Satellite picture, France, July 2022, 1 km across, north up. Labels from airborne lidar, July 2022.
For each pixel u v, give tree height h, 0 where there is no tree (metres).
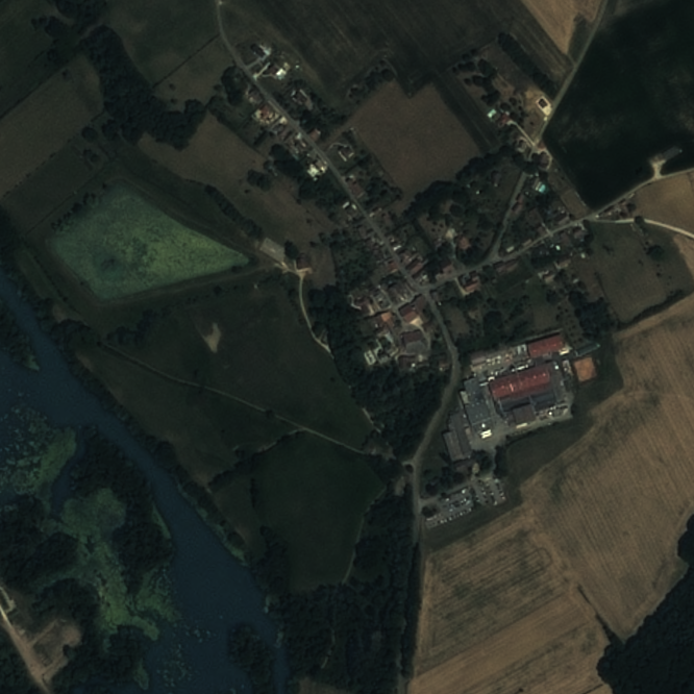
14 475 0
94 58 11
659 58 0
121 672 17
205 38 0
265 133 7
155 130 15
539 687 0
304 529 0
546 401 0
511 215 0
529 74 5
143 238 0
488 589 0
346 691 6
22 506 22
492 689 0
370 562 21
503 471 15
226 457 0
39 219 0
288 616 21
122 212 0
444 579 0
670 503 0
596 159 0
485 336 7
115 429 0
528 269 0
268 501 0
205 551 0
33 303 6
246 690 0
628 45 0
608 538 0
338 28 0
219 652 0
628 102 0
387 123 0
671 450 0
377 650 36
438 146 0
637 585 0
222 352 0
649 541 0
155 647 0
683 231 0
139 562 21
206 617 0
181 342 0
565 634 0
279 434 0
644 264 12
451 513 0
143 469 0
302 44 0
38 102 0
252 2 0
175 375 0
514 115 9
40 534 19
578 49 0
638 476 0
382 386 12
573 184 0
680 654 29
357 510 0
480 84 11
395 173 0
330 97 0
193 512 0
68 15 23
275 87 0
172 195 0
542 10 0
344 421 0
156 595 0
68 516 0
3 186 0
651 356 0
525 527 0
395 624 14
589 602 0
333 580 0
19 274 14
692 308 0
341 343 16
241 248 0
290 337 0
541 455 0
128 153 0
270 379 0
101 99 0
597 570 0
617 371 0
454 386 0
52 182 0
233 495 0
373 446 0
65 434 0
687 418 0
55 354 0
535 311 0
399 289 0
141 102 16
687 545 21
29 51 0
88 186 0
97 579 0
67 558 12
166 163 0
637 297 0
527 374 0
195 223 0
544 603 0
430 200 23
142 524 19
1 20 0
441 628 0
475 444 0
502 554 0
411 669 13
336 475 0
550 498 0
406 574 21
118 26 0
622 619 0
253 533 0
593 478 0
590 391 0
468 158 0
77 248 0
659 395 0
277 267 0
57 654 0
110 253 0
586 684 0
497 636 0
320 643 14
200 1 0
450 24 0
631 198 0
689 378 0
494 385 0
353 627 17
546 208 6
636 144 0
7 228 17
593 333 18
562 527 0
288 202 0
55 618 0
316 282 0
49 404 0
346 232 8
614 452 0
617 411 0
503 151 12
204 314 0
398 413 14
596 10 0
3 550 13
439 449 0
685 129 0
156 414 0
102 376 0
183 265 0
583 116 0
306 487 0
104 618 0
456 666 0
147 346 18
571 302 13
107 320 0
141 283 0
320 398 0
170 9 0
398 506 16
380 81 6
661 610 11
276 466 0
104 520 0
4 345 14
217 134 0
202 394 8
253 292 0
